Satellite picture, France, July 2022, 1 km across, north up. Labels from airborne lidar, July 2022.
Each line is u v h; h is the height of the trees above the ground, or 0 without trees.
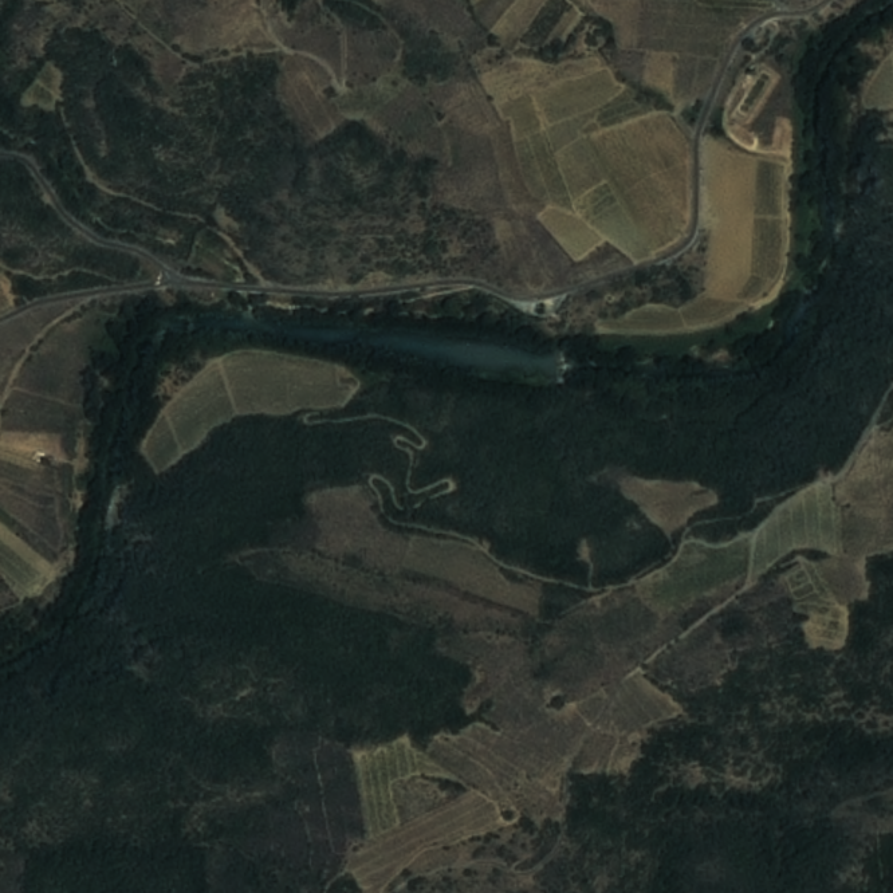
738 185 0
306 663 6
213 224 13
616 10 0
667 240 0
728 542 0
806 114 11
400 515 7
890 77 0
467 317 8
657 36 0
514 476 7
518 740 0
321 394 0
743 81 0
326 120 0
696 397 13
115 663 7
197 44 0
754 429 5
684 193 0
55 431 0
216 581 6
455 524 7
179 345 8
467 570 0
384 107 0
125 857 7
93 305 7
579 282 0
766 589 0
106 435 13
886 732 8
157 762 5
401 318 10
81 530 8
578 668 0
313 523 0
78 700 8
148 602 7
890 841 6
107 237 7
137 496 8
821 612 0
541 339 18
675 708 0
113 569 8
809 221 8
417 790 0
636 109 0
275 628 5
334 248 0
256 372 0
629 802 10
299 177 5
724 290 0
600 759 0
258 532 6
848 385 7
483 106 0
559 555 7
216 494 6
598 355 17
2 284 0
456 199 0
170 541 6
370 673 5
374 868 0
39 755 5
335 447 6
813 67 20
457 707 6
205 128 6
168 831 7
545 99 0
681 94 0
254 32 0
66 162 10
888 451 0
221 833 6
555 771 0
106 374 16
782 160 0
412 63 8
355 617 6
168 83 0
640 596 0
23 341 0
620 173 0
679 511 0
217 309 9
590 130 0
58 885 6
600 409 6
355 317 20
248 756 7
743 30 0
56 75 0
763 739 6
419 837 0
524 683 0
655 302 6
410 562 0
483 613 0
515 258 0
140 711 6
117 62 5
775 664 6
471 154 0
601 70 0
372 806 0
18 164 6
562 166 0
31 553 0
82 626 11
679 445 8
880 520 0
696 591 0
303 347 12
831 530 0
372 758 0
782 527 0
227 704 6
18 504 0
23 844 6
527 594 0
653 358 8
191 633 7
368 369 7
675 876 6
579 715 0
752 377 14
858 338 5
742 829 6
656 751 9
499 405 5
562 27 0
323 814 0
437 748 0
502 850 7
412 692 6
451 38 0
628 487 0
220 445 6
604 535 6
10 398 0
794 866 7
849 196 5
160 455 0
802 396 6
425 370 18
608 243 0
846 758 12
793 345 12
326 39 0
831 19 8
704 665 0
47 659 18
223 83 5
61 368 0
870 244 7
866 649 5
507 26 0
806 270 22
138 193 7
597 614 0
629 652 0
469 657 0
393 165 7
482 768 0
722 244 0
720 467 8
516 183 0
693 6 0
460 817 0
